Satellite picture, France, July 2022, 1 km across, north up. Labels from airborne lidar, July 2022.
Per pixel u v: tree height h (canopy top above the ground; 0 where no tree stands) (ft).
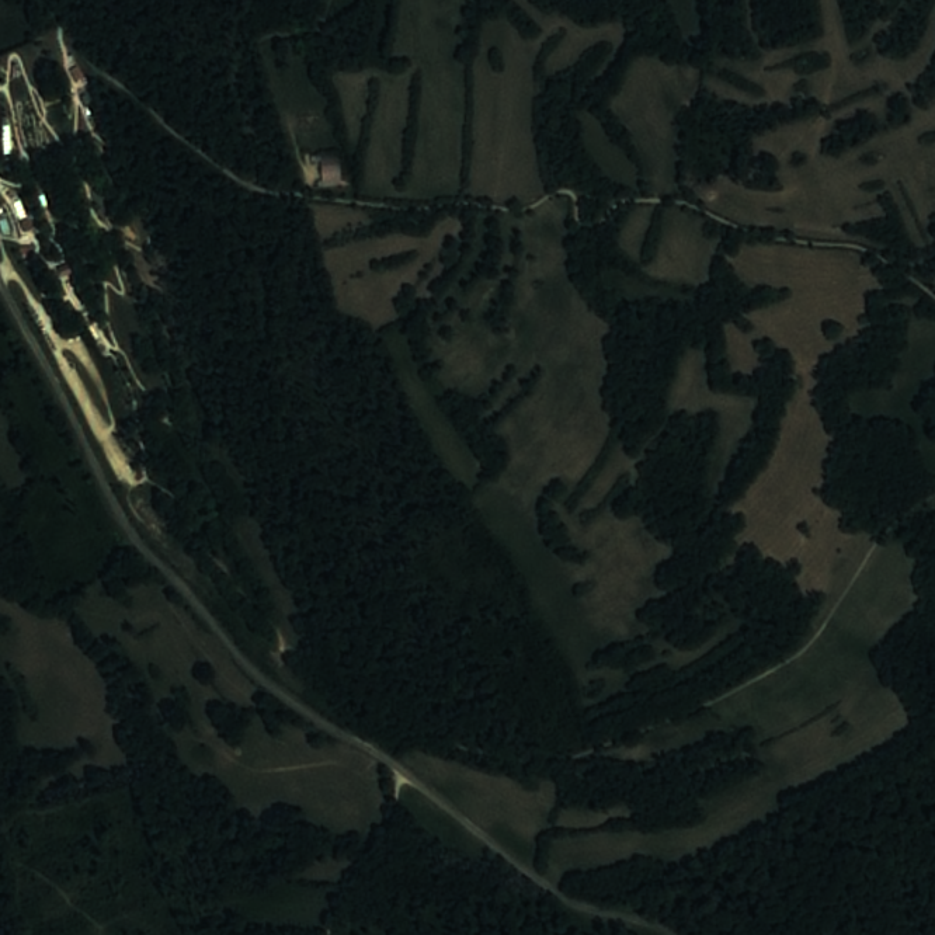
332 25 53
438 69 0
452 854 30
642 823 55
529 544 0
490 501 0
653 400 61
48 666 0
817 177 0
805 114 60
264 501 76
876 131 56
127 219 70
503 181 0
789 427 0
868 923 84
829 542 0
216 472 77
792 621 70
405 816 72
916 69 0
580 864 0
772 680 0
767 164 66
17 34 0
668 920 84
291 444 90
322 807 0
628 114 0
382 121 0
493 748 77
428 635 87
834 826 99
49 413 63
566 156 65
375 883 71
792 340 0
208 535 69
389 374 72
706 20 69
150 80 77
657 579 37
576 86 61
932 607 56
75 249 73
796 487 0
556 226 0
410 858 87
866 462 58
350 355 68
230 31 86
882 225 33
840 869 80
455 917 82
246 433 96
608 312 43
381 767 28
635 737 78
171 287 83
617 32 0
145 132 87
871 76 0
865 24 57
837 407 76
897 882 65
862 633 0
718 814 0
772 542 0
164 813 80
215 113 65
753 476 67
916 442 63
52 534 0
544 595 0
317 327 66
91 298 79
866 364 81
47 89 73
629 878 41
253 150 52
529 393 42
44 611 64
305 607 70
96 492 0
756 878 91
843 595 0
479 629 21
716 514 56
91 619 0
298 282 73
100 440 0
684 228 0
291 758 0
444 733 80
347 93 0
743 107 43
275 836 78
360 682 87
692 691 71
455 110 0
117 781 62
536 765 70
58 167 61
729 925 96
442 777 0
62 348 0
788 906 76
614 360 55
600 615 0
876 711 0
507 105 0
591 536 0
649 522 37
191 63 69
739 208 0
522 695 18
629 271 29
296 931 48
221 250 81
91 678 0
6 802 26
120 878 29
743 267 0
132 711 72
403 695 75
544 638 28
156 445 83
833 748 0
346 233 23
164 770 77
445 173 0
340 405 76
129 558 82
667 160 0
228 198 73
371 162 0
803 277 0
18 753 74
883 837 83
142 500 0
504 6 55
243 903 0
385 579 81
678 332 52
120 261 54
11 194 0
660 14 52
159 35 75
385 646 64
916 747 65
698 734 0
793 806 78
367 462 75
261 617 71
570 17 40
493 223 52
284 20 70
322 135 0
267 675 19
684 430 39
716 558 64
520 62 0
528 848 0
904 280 56
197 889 65
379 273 25
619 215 58
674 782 72
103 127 58
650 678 34
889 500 54
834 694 0
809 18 41
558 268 0
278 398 92
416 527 79
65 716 0
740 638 30
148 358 54
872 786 79
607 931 81
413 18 0
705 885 97
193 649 0
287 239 64
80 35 66
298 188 32
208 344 86
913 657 53
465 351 0
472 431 54
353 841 50
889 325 59
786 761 0
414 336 61
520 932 82
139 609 0
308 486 79
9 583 64
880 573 0
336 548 97
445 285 56
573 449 0
